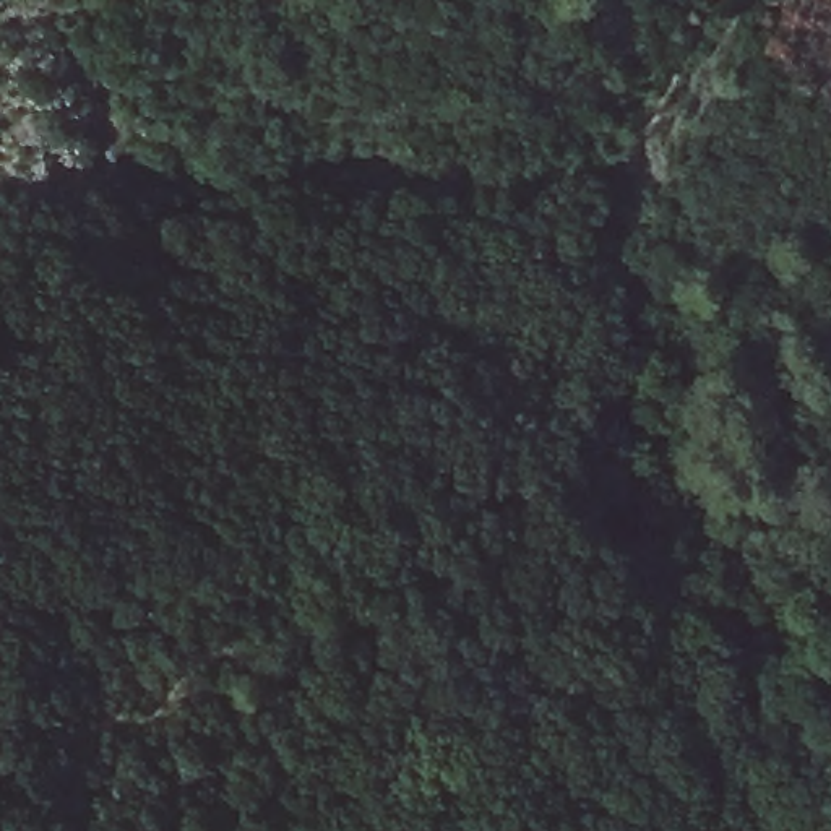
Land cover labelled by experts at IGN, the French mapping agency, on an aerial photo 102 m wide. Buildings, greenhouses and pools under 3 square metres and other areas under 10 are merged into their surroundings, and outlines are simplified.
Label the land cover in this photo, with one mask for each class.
<instances>
[{"label":"deciduous trees","instance_id":"1","mask_svg":"<svg viewBox=\"0 0 831 831\"><path fill-rule=\"evenodd\" d=\"M782 0H0V831H831V94L825 88L805 84L786 45L769 36V10Z\"/></svg>","mask_w":831,"mask_h":831},{"label":"bare soil","instance_id":"2","mask_svg":"<svg viewBox=\"0 0 831 831\"><path fill-rule=\"evenodd\" d=\"M769 36L786 45L805 84L825 88L831 94V0H782L769 10Z\"/></svg>","mask_w":831,"mask_h":831}]
</instances>
